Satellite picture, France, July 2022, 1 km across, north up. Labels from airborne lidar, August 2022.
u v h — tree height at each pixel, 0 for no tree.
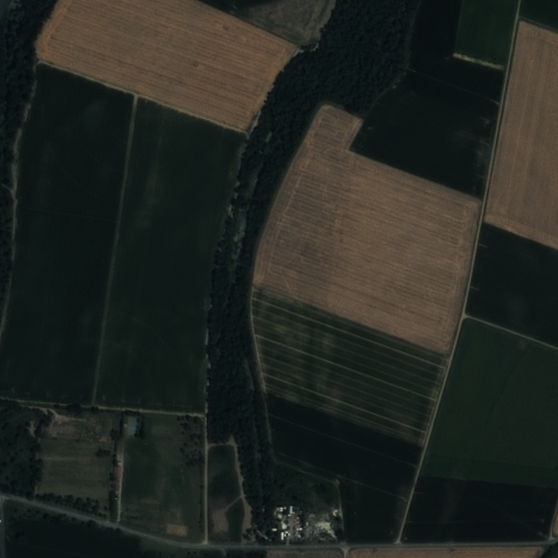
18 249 0
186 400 0
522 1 0
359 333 0
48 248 0
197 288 0
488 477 0
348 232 0
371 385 0
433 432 0
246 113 0
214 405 13
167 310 0
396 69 15
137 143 0
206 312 0
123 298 0
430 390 0
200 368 0
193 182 0
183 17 0
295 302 0
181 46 0
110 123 0
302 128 11
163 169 0
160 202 0
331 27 15
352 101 6
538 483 0
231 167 0
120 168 0
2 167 8
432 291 0
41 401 0
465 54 0
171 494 0
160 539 0
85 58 0
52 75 0
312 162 0
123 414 7
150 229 0
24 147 0
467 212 0
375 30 16
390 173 0
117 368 0
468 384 0
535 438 0
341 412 0
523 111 0
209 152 0
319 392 0
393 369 0
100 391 0
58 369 0
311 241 0
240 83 0
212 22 0
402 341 0
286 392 0
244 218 0
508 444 0
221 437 10
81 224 0
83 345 0
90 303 0
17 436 7
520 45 0
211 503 0
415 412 0
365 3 15
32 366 0
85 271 0
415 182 0
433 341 0
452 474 0
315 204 0
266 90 0
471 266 0
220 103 0
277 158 19
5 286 8
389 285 0
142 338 0
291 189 0
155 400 0
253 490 16
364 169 0
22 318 0
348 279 0
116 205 0
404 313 0
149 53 0
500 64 0
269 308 0
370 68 15
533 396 0
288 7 0
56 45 0
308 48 8
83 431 0
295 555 0
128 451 0
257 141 10
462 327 0
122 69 0
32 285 0
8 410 11
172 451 0
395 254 0
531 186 0
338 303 0
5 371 0
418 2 7
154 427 0
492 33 0
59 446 0
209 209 0
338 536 18
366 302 0
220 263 19
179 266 0
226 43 0
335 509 0
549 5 0
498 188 0
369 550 0
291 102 18
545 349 0
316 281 0
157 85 0
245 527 0
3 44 10
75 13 0
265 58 0
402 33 20
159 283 0
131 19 0
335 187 0
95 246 0
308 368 0
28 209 0
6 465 10
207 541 0
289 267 0
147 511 0
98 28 0
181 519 0
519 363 0
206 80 0
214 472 0
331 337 0
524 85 0
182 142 0
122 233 0
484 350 0
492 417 0
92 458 0
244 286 16
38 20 15
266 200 17
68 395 0
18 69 18
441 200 0
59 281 0
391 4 13
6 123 11
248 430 21
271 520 16
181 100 0
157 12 0
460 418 0
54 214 0
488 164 0
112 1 0
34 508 0
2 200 8
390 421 0
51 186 0
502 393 0
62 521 16
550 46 0
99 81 0
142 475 0
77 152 0
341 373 0
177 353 0
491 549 0
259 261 0
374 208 0
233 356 16
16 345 0
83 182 0
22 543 20
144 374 0
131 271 0
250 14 0
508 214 0
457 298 0
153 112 0
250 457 18
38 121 0
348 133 0
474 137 0
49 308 0
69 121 0
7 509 0
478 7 0
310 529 0
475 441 0
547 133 0
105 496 0
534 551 0
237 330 19
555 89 0
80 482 0
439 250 0
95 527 17
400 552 0
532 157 0
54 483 0
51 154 0
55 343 0
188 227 0
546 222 0
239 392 23
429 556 0
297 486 0
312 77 17
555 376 0
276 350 0
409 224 0
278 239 0
